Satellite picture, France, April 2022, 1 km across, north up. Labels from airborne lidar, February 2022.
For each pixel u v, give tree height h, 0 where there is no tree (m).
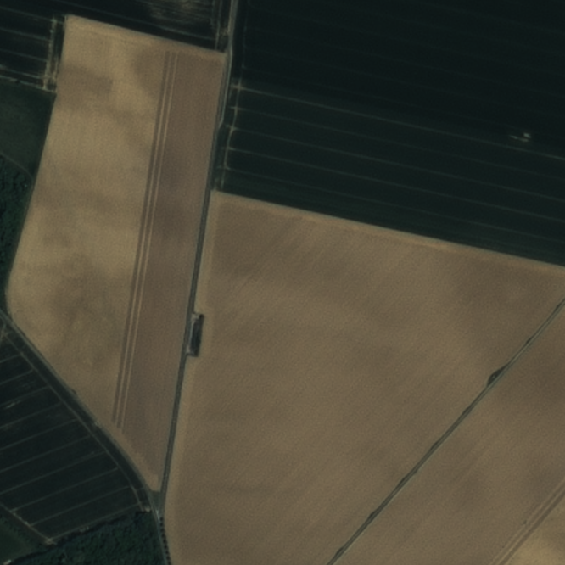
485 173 0
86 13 0
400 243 0
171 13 0
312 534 0
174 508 0
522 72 0
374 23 0
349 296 0
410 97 0
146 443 0
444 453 0
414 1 0
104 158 0
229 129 0
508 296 0
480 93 0
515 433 0
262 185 0
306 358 0
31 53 0
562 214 0
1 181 12
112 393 0
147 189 0
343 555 0
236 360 0
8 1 0
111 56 0
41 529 0
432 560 0
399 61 0
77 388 0
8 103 0
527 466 0
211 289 0
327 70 0
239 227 0
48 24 0
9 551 0
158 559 8
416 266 0
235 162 0
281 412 0
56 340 0
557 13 0
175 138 0
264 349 0
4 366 0
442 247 0
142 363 0
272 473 0
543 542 0
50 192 0
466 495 0
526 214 0
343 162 0
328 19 0
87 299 0
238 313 0
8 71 0
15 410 0
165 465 0
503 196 0
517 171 0
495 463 0
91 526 0
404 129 0
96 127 0
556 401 0
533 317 0
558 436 0
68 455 0
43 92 0
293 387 0
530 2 0
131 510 0
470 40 0
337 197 0
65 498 0
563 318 0
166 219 0
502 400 0
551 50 0
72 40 0
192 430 0
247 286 0
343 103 0
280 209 0
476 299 0
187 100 0
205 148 0
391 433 0
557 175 0
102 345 0
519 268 0
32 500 0
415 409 0
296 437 0
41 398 0
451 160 0
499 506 0
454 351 0
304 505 0
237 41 0
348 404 0
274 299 0
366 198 0
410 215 0
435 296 0
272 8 0
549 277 0
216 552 0
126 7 0
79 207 0
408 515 0
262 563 0
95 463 0
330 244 0
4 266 19
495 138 0
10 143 0
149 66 0
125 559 16
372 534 0
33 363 0
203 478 0
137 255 0
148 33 0
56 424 0
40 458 0
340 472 0
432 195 0
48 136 0
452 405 0
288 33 0
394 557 0
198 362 0
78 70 0
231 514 0
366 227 0
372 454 0
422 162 0
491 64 0
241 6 0
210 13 0
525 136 0
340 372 0
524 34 0
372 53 0
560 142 0
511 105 0
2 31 0
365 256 0
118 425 0
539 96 0
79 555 27
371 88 0
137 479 0
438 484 0
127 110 0
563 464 0
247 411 0
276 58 0
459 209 0
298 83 0
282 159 0
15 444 0
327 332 0
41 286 0
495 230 0
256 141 0
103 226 0
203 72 0
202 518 0
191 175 0
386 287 0
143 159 0
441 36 0
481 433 0
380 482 0
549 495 0
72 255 0
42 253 0
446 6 0
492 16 0
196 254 0
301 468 0
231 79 0
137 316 0
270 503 0
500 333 0
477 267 0
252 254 0
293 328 0
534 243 0
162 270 0
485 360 0
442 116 0
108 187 0
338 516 0
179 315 0
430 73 0
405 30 0
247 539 0
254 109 0
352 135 0
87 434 0
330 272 0
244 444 0
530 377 0
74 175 0
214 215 0
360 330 0
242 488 0
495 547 0
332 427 0
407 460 0
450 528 0
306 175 0
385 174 0
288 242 0
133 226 0
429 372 0
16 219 19
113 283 0
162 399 0
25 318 0
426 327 0
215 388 0
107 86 0
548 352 0
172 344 0
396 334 0
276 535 0
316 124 0
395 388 0
